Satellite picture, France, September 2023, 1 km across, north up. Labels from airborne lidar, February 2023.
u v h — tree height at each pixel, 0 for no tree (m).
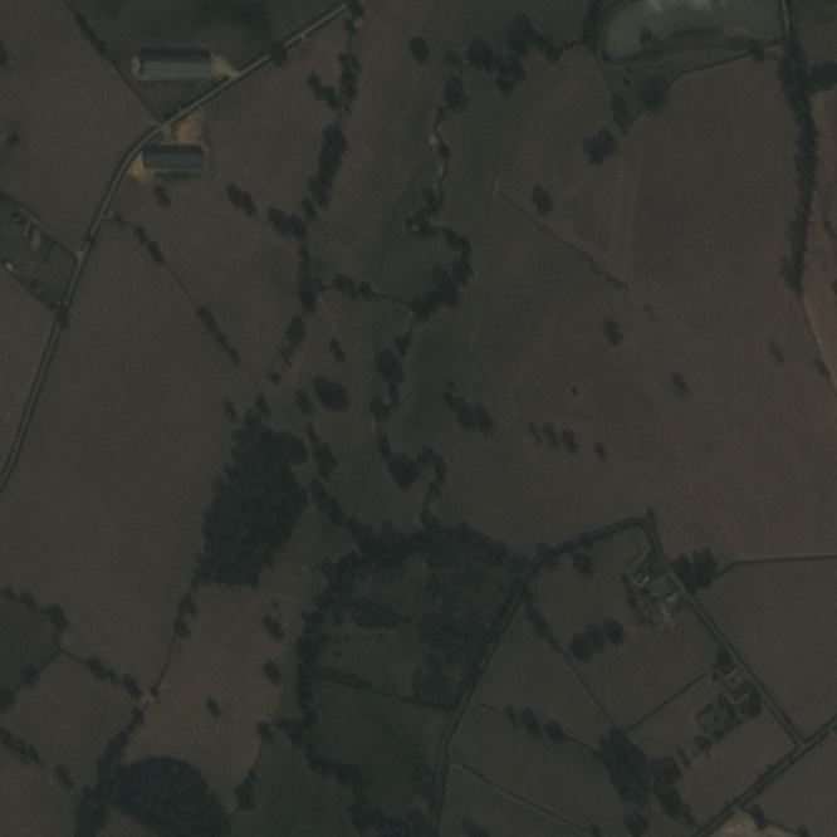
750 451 0
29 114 0
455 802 0
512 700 0
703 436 0
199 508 0
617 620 0
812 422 0
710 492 0
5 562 0
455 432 0
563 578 0
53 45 0
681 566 12
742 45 0
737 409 0
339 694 0
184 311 0
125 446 0
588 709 0
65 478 0
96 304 0
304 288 14
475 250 0
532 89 0
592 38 13
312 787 0
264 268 0
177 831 21
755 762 0
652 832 0
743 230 0
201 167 0
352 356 0
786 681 0
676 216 0
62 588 0
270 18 0
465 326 0
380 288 0
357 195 0
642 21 0
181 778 20
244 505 21
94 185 0
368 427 0
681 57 0
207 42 0
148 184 0
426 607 0
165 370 0
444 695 0
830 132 0
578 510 0
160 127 0
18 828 0
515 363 0
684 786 0
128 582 0
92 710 0
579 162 0
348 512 0
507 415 0
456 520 0
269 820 0
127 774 14
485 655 10
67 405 0
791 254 17
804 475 0
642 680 0
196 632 0
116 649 0
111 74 0
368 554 17
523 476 0
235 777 0
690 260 0
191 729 0
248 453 14
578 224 0
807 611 0
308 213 17
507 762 0
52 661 0
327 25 0
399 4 0
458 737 0
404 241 0
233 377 0
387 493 0
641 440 0
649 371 0
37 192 0
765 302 0
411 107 0
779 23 0
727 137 0
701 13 0
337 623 7
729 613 0
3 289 0
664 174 0
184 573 0
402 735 0
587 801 0
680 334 0
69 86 0
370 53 0
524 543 0
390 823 11
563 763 0
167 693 0
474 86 0
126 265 0
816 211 0
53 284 0
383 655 0
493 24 0
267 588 0
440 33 0
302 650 15
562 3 0
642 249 0
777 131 0
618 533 0
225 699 0
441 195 0
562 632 0
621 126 15
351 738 0
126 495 0
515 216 0
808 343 0
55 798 0
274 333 0
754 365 0
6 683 0
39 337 0
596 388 0
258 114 0
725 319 0
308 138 0
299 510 15
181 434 0
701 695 0
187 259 0
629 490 0
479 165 0
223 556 18
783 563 0
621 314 0
